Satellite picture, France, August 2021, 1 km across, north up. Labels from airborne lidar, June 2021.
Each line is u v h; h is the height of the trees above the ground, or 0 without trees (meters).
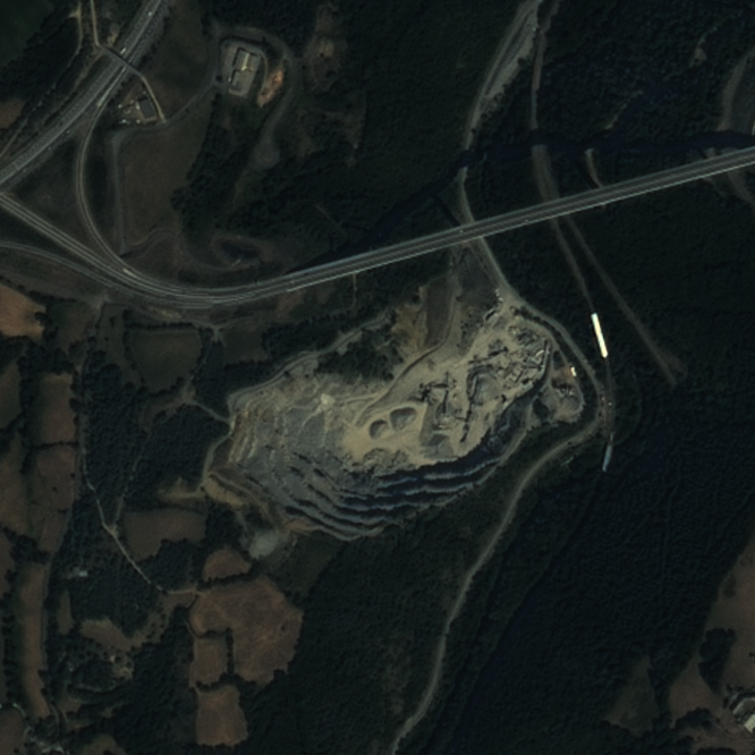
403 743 12
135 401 9
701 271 14
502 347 0
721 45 15
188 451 11
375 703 11
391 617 16
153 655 15
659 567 25
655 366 8
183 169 0
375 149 16
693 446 16
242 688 15
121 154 0
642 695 0
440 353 0
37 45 7
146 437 11
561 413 0
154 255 0
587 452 15
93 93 0
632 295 15
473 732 18
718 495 22
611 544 26
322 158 16
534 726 16
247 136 0
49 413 0
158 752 8
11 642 15
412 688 15
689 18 11
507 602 20
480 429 0
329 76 12
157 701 13
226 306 0
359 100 9
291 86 0
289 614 0
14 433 12
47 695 15
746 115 0
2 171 0
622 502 28
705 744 0
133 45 0
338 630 16
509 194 20
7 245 0
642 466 19
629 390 14
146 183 0
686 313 19
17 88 13
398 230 12
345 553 15
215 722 0
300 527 0
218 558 0
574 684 20
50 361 16
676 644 22
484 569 13
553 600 22
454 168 10
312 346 10
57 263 0
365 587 10
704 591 23
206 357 11
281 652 0
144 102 0
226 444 0
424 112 13
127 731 15
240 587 0
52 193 0
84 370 5
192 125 0
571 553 14
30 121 7
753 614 0
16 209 0
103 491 9
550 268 12
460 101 8
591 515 19
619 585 20
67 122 0
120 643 0
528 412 0
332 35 0
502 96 6
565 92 28
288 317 0
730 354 11
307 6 19
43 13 0
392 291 15
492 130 8
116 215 0
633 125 18
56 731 8
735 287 24
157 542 0
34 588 0
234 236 0
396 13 15
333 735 14
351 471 0
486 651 16
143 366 0
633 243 20
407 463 0
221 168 9
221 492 0
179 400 0
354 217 13
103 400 6
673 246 23
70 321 0
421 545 12
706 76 6
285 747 16
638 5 23
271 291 0
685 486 24
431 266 14
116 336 0
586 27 22
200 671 0
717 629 0
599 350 6
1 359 14
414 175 11
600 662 21
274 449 0
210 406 6
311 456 0
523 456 14
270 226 8
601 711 17
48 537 0
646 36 18
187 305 0
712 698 0
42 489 0
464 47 8
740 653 0
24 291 10
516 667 19
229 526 9
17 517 0
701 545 25
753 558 0
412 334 0
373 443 0
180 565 10
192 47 0
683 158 11
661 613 19
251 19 13
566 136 18
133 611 8
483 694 18
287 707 18
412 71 20
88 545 9
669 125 18
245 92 0
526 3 0
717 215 24
